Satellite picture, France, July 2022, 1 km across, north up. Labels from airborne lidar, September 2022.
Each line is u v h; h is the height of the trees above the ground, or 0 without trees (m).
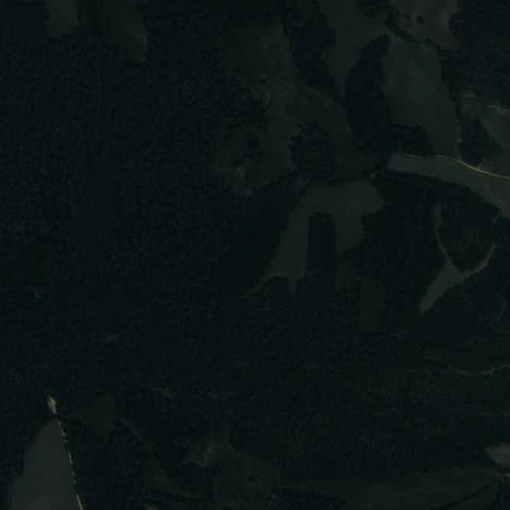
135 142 23
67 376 17
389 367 14
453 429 10
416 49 0
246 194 0
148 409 12
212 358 7
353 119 26
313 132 17
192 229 20
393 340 10
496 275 12
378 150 18
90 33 20
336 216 0
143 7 27
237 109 28
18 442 21
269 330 20
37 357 27
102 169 23
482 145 18
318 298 11
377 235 8
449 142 0
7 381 26
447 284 0
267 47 0
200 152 31
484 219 16
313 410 7
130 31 0
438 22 0
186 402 14
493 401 8
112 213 24
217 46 6
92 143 21
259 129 17
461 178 0
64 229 6
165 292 15
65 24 0
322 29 9
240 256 24
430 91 0
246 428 21
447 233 14
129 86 25
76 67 11
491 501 0
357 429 11
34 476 0
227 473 0
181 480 20
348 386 10
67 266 23
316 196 0
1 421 17
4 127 26
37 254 7
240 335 8
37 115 31
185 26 24
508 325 12
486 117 0
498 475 0
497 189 0
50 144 26
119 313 16
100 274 17
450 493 0
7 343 17
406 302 24
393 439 13
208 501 7
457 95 17
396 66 0
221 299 17
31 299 21
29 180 27
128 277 16
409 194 9
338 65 0
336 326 17
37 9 22
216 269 23
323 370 10
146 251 21
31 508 0
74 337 14
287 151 0
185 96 27
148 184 27
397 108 0
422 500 0
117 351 16
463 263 15
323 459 12
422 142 11
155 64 25
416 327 12
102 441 12
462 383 7
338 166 19
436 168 0
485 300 11
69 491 0
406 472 13
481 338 9
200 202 31
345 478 10
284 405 10
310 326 13
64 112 21
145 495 7
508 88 13
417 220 17
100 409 0
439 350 8
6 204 27
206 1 10
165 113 30
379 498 0
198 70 25
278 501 7
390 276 9
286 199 24
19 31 23
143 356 12
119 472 16
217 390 13
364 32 0
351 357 14
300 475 12
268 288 13
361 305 15
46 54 15
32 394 20
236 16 11
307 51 20
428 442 14
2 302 11
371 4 16
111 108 7
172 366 14
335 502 8
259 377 15
